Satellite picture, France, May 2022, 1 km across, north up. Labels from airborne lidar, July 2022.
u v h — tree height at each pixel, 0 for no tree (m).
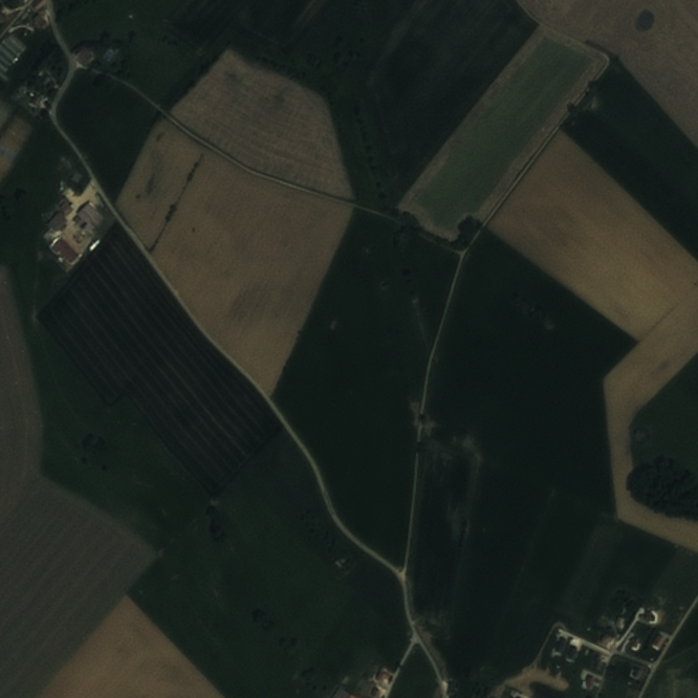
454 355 0
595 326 0
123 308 0
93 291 0
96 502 0
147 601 0
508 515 0
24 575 0
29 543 0
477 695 6
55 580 0
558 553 0
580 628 0
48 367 0
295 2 0
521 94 0
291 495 0
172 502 0
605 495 0
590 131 0
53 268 0
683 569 0
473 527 0
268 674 0
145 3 0
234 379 0
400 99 0
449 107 0
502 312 0
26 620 0
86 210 0
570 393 0
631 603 6
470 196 0
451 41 0
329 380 0
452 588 0
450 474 0
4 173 0
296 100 0
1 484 0
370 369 0
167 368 0
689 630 0
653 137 0
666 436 0
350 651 0
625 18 0
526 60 0
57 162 0
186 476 0
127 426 0
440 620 0
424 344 0
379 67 0
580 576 0
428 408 0
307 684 5
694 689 0
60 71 10
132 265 0
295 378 0
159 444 0
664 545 0
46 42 0
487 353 0
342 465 0
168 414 0
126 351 0
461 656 0
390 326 0
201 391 0
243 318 0
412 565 0
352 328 0
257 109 0
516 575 0
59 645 0
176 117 0
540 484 0
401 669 8
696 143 0
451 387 0
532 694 0
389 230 0
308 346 0
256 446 0
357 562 0
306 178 0
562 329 0
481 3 0
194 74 0
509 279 0
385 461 0
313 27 0
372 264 0
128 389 0
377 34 0
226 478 0
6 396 0
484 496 0
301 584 0
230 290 0
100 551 0
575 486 0
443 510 0
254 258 0
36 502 0
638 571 0
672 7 0
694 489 18
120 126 0
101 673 0
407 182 0
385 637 0
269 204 0
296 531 0
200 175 0
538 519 0
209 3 0
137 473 0
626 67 0
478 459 0
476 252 0
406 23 0
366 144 13
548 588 0
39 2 0
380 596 0
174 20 0
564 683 0
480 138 0
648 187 0
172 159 0
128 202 0
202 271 0
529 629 0
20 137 0
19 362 0
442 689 0
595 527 0
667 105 0
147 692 0
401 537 0
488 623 0
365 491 0
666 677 0
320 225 0
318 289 0
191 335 0
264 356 0
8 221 14
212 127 0
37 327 0
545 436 0
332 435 0
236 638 0
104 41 12
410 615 0
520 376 0
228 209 0
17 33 0
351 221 0
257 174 0
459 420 0
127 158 0
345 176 0
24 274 0
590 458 0
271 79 0
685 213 0
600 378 0
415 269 0
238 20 0
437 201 0
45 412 0
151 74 0
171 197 0
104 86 19
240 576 0
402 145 0
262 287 0
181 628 0
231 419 0
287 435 0
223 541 13
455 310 0
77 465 0
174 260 0
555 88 0
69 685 0
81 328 0
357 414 0
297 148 0
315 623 0
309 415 0
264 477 0
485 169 0
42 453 0
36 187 0
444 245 8
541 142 0
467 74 0
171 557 0
